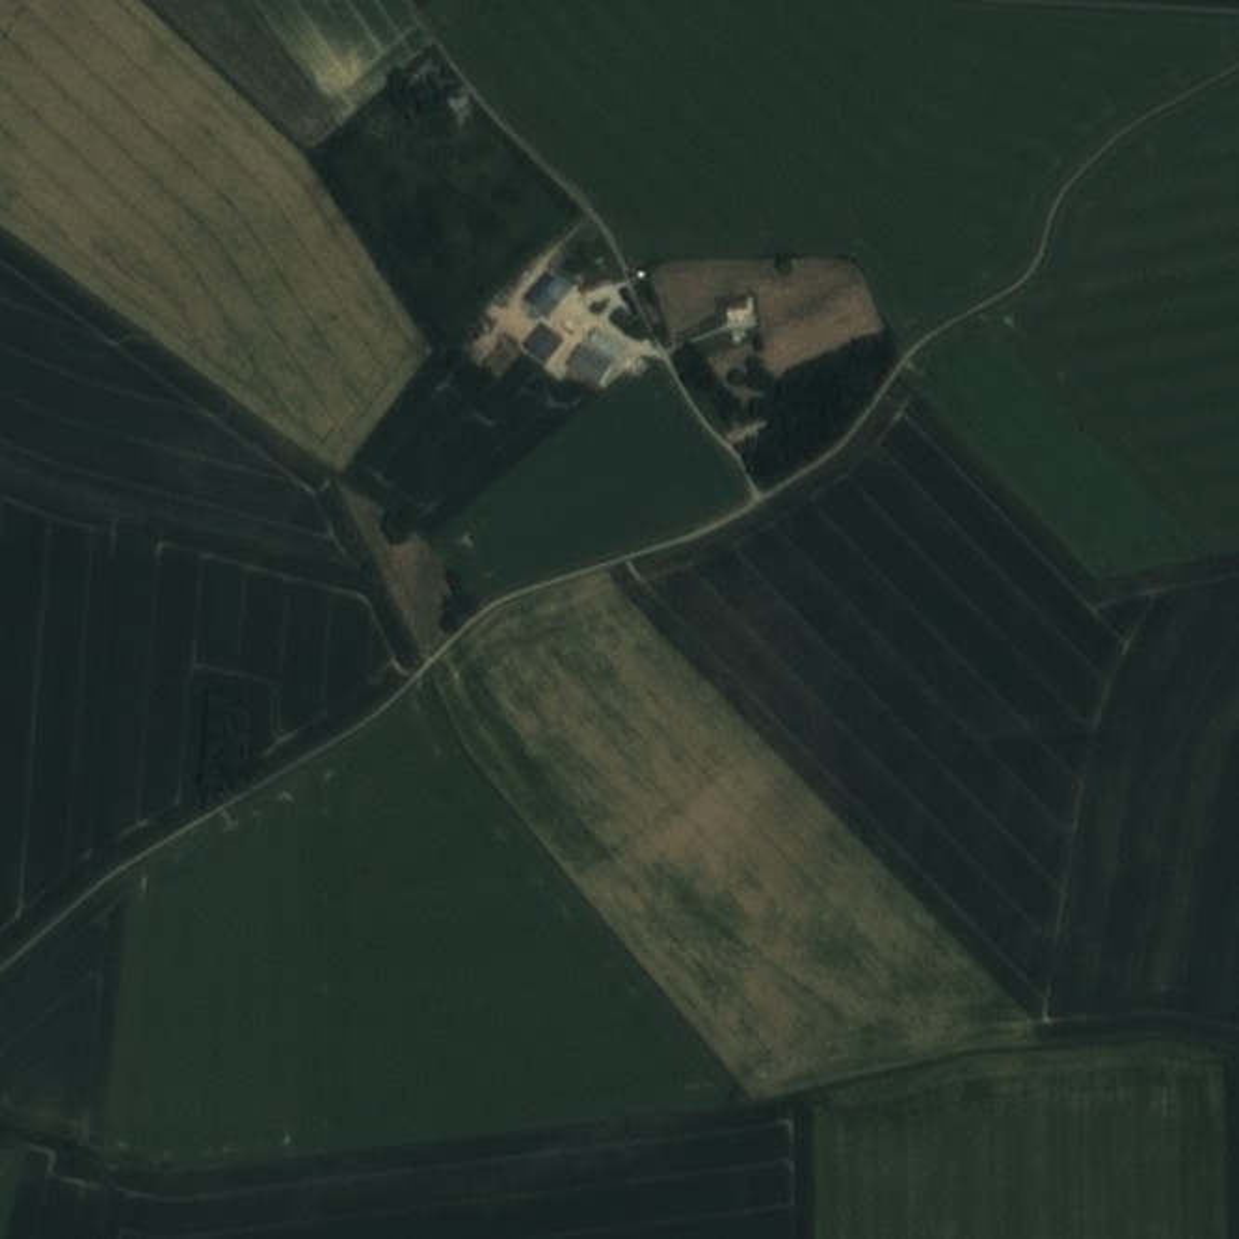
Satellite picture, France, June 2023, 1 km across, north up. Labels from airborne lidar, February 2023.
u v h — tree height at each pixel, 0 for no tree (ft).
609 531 0
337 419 0
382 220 0
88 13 0
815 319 0
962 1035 0
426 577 0
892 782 0
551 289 0
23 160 0
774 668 0
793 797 0
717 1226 0
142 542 0
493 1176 0
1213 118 0
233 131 0
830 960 0
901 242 0
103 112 0
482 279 0
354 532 0
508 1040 0
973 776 0
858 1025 0
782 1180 0
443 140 0
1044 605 0
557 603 0
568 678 0
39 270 0
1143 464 0
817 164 0
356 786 0
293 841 0
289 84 0
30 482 0
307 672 0
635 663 0
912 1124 0
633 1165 0
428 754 0
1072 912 0
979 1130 0
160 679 0
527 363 0
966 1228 0
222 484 0
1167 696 0
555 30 0
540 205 0
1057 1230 0
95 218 0
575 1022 0
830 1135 0
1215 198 0
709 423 0
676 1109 0
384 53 0
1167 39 0
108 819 0
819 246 0
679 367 28
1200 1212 0
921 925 0
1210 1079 0
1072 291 0
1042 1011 0
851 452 0
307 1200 0
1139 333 0
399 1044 0
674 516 0
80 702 0
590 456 0
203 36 0
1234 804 0
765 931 0
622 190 0
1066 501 0
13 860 0
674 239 0
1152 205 0
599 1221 0
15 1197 0
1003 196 0
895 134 0
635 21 0
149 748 0
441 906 0
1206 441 0
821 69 0
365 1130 0
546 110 0
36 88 0
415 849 0
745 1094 0
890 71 0
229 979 0
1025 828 0
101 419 0
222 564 0
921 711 0
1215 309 0
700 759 0
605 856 0
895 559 0
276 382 0
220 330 0
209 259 0
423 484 0
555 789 0
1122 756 0
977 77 0
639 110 0
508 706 0
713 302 0
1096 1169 0
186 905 0
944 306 0
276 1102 0
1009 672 0
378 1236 0
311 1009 0
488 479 0
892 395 0
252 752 27
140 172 0
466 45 0
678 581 0
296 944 0
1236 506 0
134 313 0
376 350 0
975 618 0
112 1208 0
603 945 0
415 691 0
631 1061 0
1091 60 0
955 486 0
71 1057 0
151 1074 0
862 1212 0
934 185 0
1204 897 0
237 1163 0
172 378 0
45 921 0
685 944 0
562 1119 0
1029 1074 0
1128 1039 0
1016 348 0
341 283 0
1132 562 0
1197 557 0
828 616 0
